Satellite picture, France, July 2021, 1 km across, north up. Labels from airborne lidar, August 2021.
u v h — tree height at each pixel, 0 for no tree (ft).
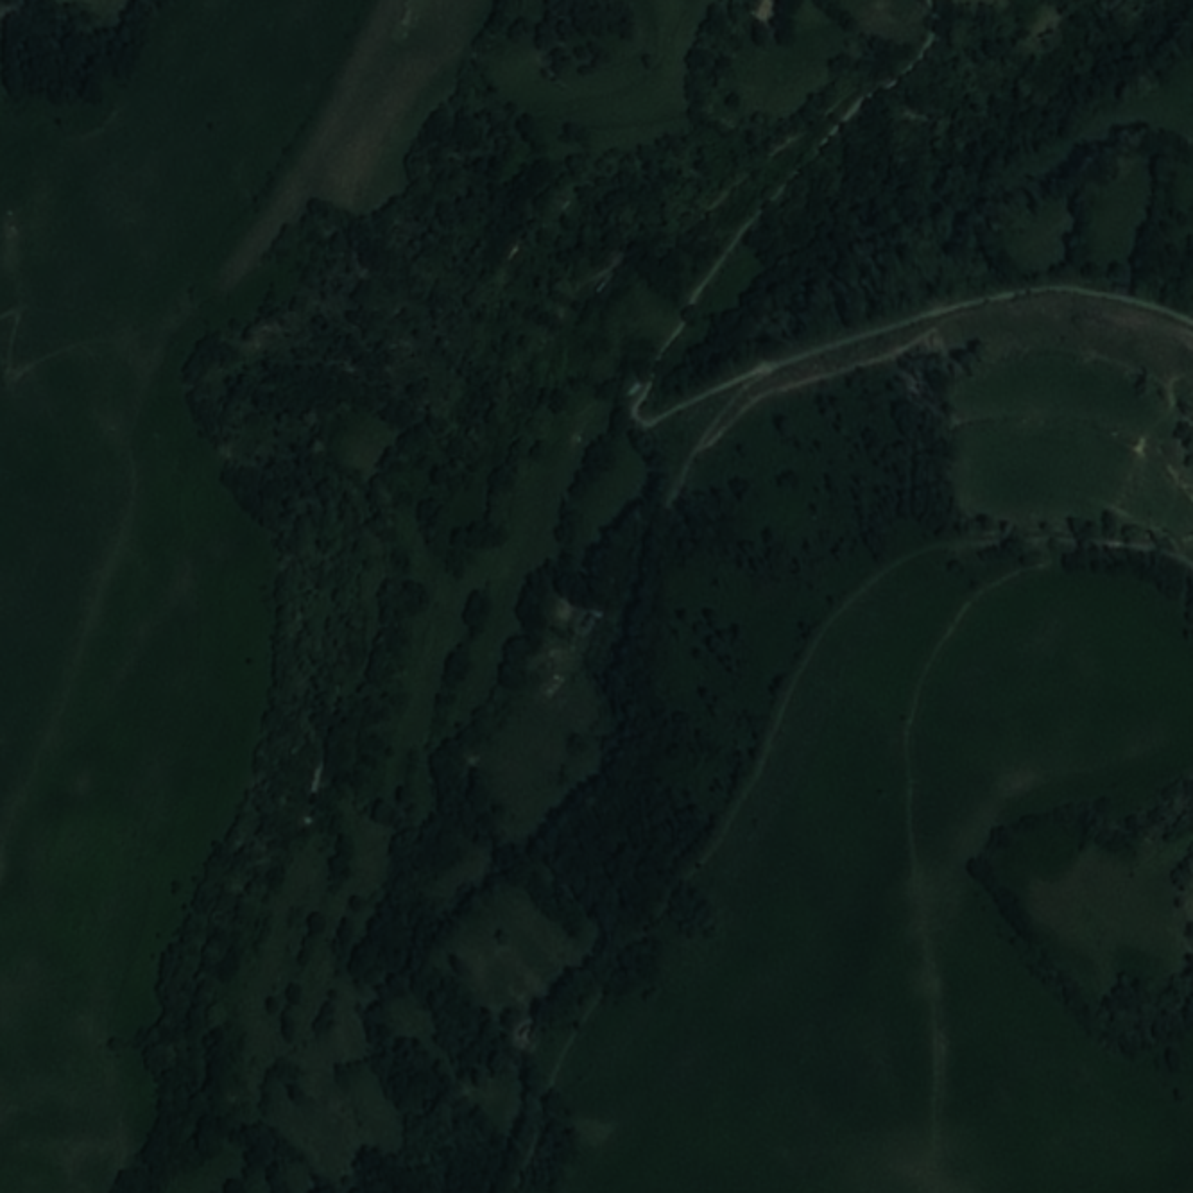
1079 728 0
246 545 0
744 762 31
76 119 0
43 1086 0
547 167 67
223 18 0
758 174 66
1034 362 0
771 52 0
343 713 64
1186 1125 0
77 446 0
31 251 0
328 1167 0
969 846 0
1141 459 0
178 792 0
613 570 74
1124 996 60
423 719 0
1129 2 75
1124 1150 0
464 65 26
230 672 0
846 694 0
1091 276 60
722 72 68
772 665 0
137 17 56
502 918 0
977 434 0
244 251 0
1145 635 0
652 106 0
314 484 89
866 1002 0
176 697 0
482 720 34
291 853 20
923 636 0
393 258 70
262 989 0
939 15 44
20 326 0
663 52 0
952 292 31
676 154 67
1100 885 0
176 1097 57
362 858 0
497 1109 0
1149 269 78
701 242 66
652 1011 0
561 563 25
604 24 62
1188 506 0
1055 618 0
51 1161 0
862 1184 0
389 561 33
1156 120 0
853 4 0
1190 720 0
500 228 63
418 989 34
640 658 66
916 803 0
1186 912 62
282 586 45
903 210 109
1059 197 56
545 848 64
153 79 0
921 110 93
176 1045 61
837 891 0
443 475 81
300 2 0
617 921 81
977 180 90
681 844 58
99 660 0
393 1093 28
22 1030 0
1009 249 56
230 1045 31
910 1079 0
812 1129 0
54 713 0
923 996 0
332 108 0
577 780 0
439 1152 32
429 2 0
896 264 88
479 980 0
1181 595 57
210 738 0
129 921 0
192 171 0
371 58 0
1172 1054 50
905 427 52
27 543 0
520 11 30
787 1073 0
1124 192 0
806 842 0
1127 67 76
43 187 0
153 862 0
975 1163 0
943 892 0
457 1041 38
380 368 67
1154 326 0
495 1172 60
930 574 0
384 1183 55
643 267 76
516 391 81
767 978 0
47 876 0
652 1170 0
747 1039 0
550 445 57
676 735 58
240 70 0
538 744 0
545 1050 0
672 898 27
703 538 58
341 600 63
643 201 80
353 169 0
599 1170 0
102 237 0
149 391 0
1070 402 0
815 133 73
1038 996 0
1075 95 111
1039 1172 0
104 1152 0
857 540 21
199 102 0
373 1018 50
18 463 0
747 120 27
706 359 75
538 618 68
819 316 81
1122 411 0
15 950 0
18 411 0
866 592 0
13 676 0
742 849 0
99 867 0
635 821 57
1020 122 77
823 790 0
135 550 0
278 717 60
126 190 0
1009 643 0
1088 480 0
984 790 0
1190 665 0
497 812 29
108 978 0
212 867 42
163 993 49
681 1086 0
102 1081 0
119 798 0
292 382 86
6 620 0
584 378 30
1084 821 41
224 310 0
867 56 21
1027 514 0
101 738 0
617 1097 0
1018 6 20
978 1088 0
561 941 0
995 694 0
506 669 59
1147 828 55
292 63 0
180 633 0
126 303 0
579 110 0
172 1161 38
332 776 48
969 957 0
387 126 0
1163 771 0
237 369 28
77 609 0
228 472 40
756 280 44
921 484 41
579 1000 36
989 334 0
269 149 0
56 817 0
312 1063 0
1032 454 0
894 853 0
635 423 47
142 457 0
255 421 48
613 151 33
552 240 72
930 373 77
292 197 0
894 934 0
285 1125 0
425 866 58
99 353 0
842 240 104
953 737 0
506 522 46
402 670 38
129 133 0
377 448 0
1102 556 67
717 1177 0
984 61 80
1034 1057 0
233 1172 0
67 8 34
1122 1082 0
